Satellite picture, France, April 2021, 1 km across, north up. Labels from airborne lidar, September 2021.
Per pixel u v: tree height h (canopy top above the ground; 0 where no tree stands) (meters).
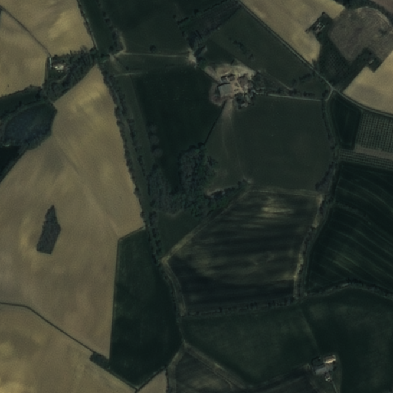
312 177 0
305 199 0
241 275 0
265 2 0
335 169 20
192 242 0
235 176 0
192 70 0
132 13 0
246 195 0
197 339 0
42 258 0
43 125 0
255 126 0
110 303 0
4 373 0
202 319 0
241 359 0
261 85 0
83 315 0
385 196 0
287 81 0
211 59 0
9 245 0
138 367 0
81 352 0
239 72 0
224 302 0
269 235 0
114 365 0
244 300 0
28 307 0
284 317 0
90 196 0
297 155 0
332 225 0
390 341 0
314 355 0
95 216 0
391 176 0
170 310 0
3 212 0
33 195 0
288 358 0
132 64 0
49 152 0
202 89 0
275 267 0
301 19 0
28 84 0
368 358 0
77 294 0
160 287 0
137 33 0
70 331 0
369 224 0
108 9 0
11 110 0
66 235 0
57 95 16
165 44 0
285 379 0
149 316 0
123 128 19
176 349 0
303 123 0
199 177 17
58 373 0
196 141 0
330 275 0
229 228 0
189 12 0
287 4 0
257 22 10
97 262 0
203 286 0
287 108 0
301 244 0
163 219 0
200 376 0
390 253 0
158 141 15
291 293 0
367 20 0
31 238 0
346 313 0
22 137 0
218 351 0
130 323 0
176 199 20
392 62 0
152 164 0
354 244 0
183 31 7
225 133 0
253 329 0
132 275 0
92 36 16
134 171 13
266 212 0
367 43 0
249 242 0
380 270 0
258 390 0
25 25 0
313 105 0
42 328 0
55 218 8
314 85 0
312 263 0
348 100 0
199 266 0
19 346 0
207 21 0
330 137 13
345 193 0
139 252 0
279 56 0
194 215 12
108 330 0
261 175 0
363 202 0
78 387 0
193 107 0
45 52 0
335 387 0
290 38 0
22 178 0
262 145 0
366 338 0
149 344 0
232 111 0
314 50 0
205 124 0
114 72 0
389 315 0
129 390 0
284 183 0
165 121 0
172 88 0
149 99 0
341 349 0
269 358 0
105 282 0
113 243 0
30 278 0
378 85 0
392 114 0
